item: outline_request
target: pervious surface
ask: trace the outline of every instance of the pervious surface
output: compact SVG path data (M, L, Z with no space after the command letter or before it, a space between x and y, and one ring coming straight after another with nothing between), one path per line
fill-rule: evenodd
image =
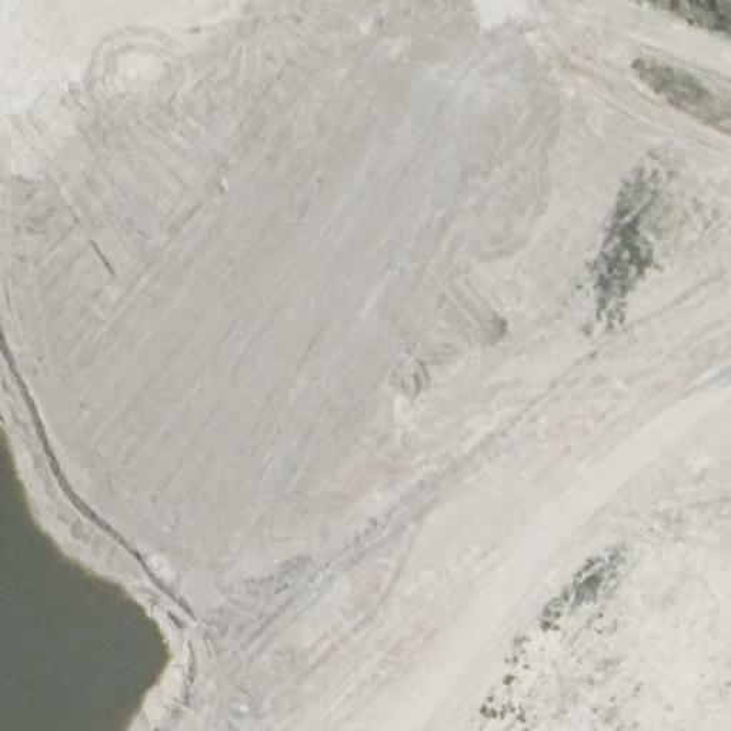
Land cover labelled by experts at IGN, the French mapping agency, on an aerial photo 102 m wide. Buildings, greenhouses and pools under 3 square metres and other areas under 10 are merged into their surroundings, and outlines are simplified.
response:
M600 257L603 237L611 226L611 214L617 206L631 208L637 214L640 237L651 246L651 266L628 294L611 294L608 306L600 308L597 277L591 274L588 263ZM157 628L166 637L168 665L157 685L148 688L143 708L134 714L128 731L731 731L731 37L688 26L665 9L654 9L648 0L0 0L0 445L14 460L34 523L57 543L57 548L69 560L77 560L91 574L123 585L126 594L146 611L146 617L157 622ZM611 545L622 554L617 580L600 580L594 600L583 603L571 617L560 617L557 631L543 631L543 605L574 583L577 568L588 557L608 557Z

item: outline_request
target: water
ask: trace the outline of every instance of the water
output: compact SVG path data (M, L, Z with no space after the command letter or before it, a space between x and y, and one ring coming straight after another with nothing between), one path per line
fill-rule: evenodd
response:
M143 708L148 688L157 685L168 665L166 637L157 628L157 622L146 617L146 611L126 594L123 585L91 574L77 560L69 560L57 548L57 543L34 523L14 460L0 445L0 731L128 731L134 714Z

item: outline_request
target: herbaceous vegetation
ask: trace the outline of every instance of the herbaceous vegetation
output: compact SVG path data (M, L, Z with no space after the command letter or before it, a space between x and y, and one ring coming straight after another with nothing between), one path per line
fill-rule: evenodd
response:
M543 605L543 631L557 631L560 617L571 617L583 603L594 600L600 580L617 580L622 554L611 545L608 557L588 557L577 568L574 583Z
M648 0L654 9L665 9L688 26L731 37L731 0Z
M600 257L588 263L591 274L597 277L600 308L608 306L611 294L628 294L651 266L651 246L640 237L637 214L631 208L617 206L611 214L611 226L603 237Z

